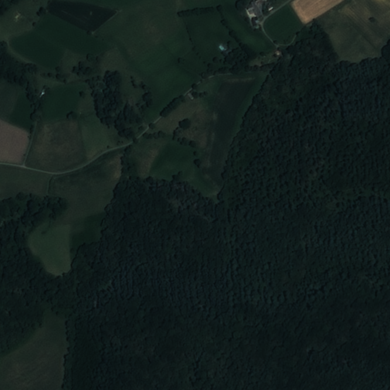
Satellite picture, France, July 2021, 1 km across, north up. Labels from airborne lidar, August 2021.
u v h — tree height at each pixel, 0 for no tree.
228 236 33
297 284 23
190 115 0
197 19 0
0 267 21
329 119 22
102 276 32
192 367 7
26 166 0
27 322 25
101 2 0
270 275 32
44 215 21
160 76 0
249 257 23
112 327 24
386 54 23
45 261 0
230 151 8
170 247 28
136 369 17
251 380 25
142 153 0
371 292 25
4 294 31
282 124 20
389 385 26
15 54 0
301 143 11
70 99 0
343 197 23
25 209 9
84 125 0
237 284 28
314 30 19
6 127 0
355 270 18
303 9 0
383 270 20
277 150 21
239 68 16
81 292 22
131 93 0
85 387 19
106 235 29
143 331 22
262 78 0
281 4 0
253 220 30
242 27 0
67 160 0
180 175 15
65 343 0
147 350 19
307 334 23
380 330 18
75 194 0
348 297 24
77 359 13
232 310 32
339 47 0
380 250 28
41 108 16
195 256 26
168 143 0
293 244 23
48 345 0
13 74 23
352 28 0
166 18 0
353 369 25
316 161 17
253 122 25
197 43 0
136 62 0
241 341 21
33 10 0
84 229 0
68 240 0
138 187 32
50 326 0
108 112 19
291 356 20
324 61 27
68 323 20
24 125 0
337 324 25
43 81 0
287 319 21
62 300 22
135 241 33
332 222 25
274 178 10
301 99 8
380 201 21
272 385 24
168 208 22
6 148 0
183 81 0
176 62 0
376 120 17
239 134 10
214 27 0
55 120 0
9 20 0
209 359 24
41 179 0
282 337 20
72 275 23
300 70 13
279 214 27
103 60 0
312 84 18
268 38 0
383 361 24
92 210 0
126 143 0
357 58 0
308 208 23
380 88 20
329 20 0
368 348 19
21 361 0
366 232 24
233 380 24
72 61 0
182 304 31
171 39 0
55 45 0
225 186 10
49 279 24
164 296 29
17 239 22
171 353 21
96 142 0
